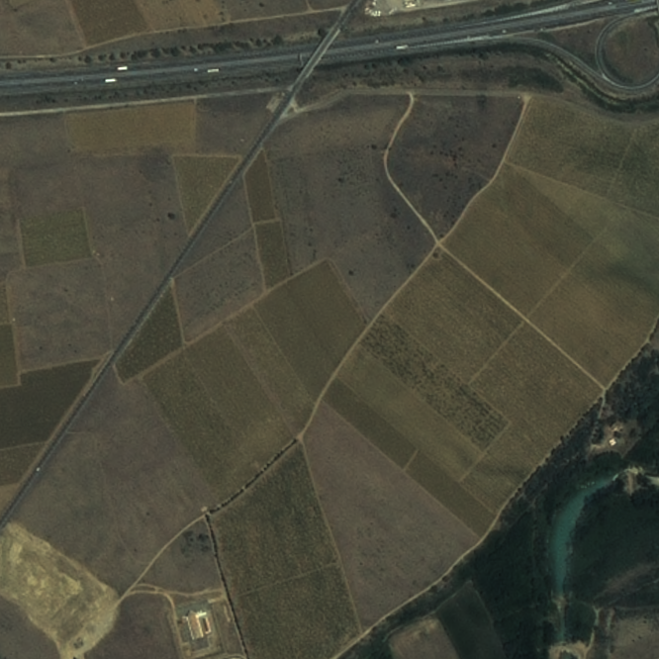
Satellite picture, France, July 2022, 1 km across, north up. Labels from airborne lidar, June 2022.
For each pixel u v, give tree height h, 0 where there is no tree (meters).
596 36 0
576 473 13
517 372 0
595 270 0
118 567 0
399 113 0
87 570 0
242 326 0
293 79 0
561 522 0
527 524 6
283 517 0
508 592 9
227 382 0
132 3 0
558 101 0
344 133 0
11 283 0
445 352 0
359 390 0
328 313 0
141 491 0
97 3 0
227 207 0
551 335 0
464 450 0
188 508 0
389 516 0
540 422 0
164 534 0
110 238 0
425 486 0
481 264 0
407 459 0
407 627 0
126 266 0
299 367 0
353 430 0
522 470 0
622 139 0
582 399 0
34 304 0
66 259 0
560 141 0
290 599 0
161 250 0
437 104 0
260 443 0
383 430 0
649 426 19
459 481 0
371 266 0
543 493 9
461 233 0
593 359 0
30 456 0
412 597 0
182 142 0
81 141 0
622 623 0
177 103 0
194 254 0
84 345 0
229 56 0
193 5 0
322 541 0
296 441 8
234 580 0
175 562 0
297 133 0
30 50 0
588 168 0
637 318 0
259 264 0
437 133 0
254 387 0
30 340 0
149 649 0
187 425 0
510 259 0
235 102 0
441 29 0
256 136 0
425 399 0
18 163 0
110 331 0
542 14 0
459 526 0
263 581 0
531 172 0
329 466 0
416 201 0
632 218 0
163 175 0
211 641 0
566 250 0
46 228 0
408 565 0
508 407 0
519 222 0
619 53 0
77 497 0
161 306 0
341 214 0
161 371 0
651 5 0
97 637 0
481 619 0
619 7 0
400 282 0
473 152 0
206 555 0
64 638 0
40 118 0
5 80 0
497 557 6
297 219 0
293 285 0
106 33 0
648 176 0
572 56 0
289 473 0
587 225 0
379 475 0
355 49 0
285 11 0
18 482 0
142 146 0
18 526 0
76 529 0
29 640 0
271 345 0
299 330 0
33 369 0
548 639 15
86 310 0
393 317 0
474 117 0
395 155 0
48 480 0
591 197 0
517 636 8
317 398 0
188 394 0
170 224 0
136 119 0
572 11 0
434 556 0
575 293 0
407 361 0
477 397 0
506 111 0
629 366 8
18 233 0
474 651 0
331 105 0
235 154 0
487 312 0
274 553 0
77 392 0
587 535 11
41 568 0
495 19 0
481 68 0
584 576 5
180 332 0
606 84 0
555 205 0
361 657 6
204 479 0
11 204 0
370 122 0
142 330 0
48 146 0
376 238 0
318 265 0
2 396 0
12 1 0
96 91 0
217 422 0
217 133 0
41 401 0
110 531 0
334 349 0
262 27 0
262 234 0
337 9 0
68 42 0
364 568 0
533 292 0
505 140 0
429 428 0
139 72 0
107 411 0
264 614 0
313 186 0
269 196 0
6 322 0
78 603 0
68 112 0
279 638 0
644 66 0
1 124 0
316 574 0
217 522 0
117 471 0
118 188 0
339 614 0
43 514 0
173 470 0
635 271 0
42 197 0
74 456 0
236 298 0
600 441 9
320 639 0
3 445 0
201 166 0
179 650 0
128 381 0
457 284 0
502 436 0
